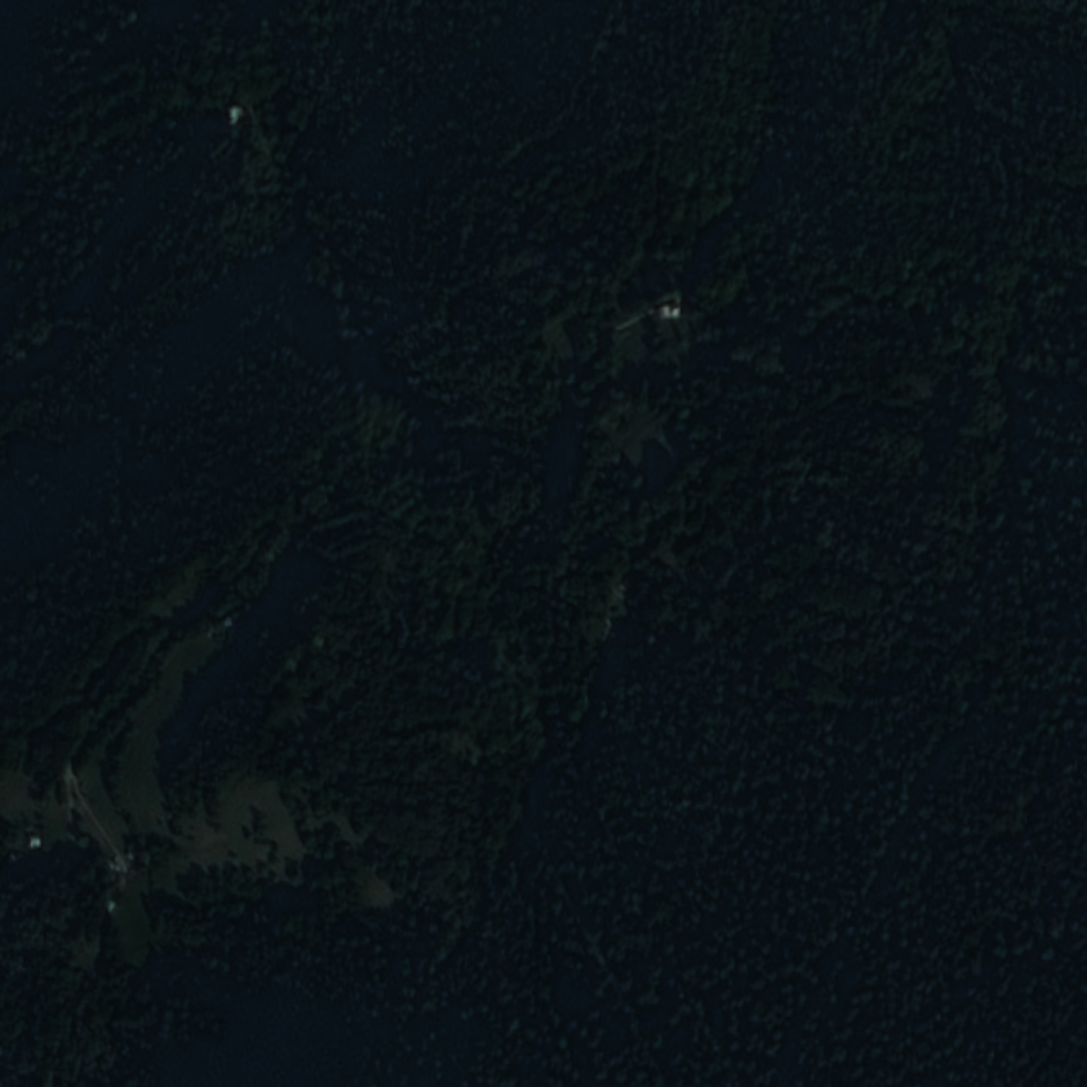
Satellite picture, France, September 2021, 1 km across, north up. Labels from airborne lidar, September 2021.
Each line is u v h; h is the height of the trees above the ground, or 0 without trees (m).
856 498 14
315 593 28
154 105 16
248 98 16
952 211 28
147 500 31
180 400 29
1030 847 17
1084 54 22
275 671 26
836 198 27
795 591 15
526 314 18
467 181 27
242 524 24
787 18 30
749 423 28
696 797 25
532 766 15
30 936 14
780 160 23
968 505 24
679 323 0
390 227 25
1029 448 14
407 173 21
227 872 6
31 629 26
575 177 31
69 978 23
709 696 27
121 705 10
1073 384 13
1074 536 27
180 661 0
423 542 17
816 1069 34
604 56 29
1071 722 16
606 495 19
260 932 19
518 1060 20
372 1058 23
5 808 0
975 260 29
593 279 21
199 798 7
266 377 27
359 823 17
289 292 27
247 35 18
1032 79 19
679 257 17
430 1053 24
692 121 25
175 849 12
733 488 11
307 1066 18
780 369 19
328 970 20
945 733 23
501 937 25
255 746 26
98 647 28
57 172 17
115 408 25
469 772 19
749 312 22
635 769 23
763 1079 26
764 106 27
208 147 21
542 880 28
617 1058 30
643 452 0
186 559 22
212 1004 11
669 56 27
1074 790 32
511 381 18
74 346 26
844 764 13
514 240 22
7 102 25
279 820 0
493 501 18
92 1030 19
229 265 24
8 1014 27
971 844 24
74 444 28
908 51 22
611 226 15
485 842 25
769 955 18
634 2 24
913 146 32
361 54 22
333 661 17
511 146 24
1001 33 25
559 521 21
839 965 25
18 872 9
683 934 21
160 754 0
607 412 19
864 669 16
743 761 27
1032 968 6
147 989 16
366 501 22
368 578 17
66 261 17
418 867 16
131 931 0
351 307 8
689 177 29
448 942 25
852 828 24
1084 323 26
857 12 22
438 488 28
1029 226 25
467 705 23
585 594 29
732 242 36
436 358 26
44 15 25
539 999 21
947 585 21
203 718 20
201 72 23
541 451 9
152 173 26
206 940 16
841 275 27
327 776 8
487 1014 18
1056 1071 22
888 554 10
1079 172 21
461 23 25
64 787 13
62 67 22
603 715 24
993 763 28
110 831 0
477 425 15
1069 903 20
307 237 29
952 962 25
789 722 25
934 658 23
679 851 28
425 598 17
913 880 27
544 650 23
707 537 7
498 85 26
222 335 20
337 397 17
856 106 21
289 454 29
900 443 25
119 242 13
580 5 25
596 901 13
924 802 28
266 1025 30
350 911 18
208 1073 28
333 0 17
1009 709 27
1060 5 17
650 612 26
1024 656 26
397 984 17
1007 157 19
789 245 37
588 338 11
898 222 24
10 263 20
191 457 27
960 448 30
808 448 16
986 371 34
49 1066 25
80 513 25
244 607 18
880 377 9
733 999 21
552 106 30
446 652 21
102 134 21
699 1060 29
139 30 19
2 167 12
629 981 18
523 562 11
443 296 30
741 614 23
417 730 8
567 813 21
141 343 27
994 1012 19
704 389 14
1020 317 21
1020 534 34
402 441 25
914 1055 33
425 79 25
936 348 35
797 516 12
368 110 16
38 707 29
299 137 11
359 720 15
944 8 18
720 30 28
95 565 29
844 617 17
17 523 20
